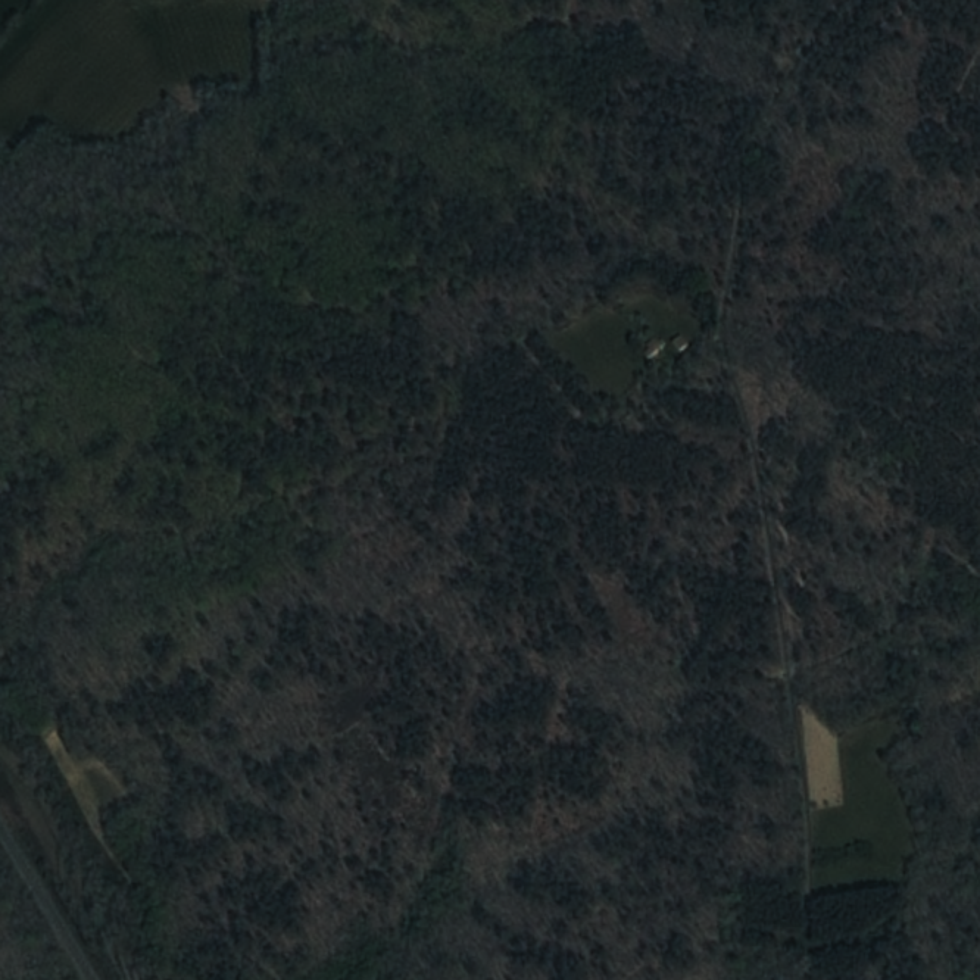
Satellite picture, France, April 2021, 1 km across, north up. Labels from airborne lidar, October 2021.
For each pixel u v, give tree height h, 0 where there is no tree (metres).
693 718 21
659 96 20
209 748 19
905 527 10
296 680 11
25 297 17
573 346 0
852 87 23
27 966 19
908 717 9
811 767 0
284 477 20
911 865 17
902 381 23
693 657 12
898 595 15
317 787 13
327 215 22
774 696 8
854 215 18
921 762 18
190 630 18
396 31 23
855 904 18
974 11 27
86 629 19
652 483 20
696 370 18
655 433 18
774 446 29
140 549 25
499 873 18
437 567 14
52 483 23
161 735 9
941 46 13
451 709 21
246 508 19
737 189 20
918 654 17
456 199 23
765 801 13
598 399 11
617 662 9
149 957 10
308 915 18
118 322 24
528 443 13
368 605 16
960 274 10
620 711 16
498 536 8
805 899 12
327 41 17
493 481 12
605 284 17
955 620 12
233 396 28
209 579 16
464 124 24
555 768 12
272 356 24
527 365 14
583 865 19
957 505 23
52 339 24
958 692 21
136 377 22
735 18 12
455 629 15
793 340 9
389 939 17
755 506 13
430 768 9
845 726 19
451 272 19
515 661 18
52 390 22
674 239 14
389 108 21
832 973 18
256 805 20
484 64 25
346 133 24
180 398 22
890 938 16
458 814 25
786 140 19
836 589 14
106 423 18
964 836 21
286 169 15
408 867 13
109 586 25
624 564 15
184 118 15
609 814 9
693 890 10
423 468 9
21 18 12
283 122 23
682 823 9
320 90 26
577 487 19
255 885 14
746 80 17
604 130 22
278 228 27
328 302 25
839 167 8
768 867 12
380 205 22
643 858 16
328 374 25
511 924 14
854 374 23
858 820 0
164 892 22
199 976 23
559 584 11
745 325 11
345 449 7
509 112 26
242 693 15
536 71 25
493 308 11
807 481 24
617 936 12
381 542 8
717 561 12
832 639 9
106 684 22
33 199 20
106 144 16
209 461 16
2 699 26
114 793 0
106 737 19
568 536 20
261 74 20
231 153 20
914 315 7
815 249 21
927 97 14
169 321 23
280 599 15
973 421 23
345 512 10
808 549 13
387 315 26
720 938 12
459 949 19
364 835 11
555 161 19
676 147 21
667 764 17
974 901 17
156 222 18
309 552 15
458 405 13
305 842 16
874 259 23
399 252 24
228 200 23
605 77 26
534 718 26
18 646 15
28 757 18
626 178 14
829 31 19
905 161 11
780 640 16
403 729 8
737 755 24
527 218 18
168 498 23
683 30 21
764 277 13
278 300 25
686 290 24
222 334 24
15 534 27
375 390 26
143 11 0
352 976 19
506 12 16
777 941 13
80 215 20
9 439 27
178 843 27
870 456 21
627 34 11
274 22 17
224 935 11
